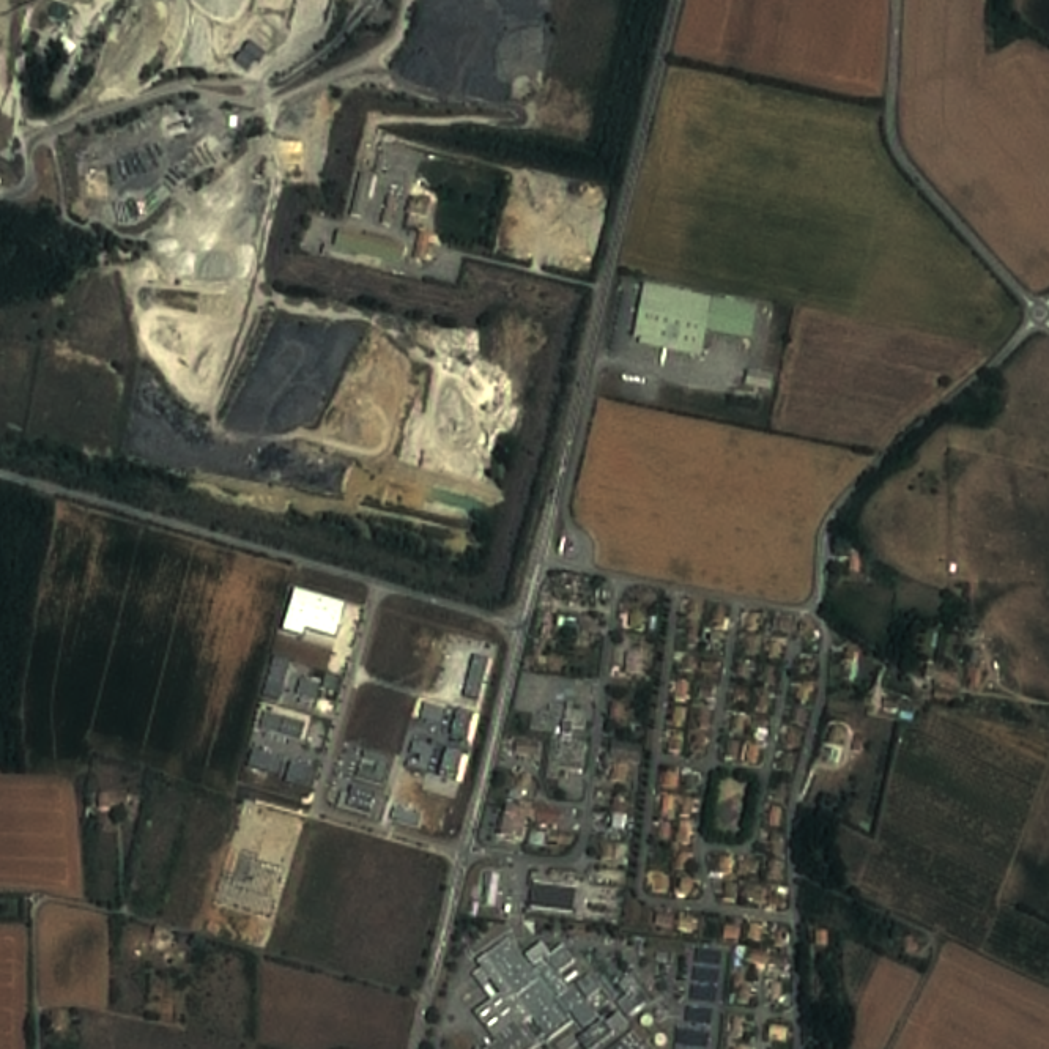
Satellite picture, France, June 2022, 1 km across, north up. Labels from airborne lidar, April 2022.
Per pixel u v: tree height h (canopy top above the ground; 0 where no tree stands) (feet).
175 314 0
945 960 0
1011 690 0
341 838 0
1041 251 0
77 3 0
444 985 20
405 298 0
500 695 0
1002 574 0
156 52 0
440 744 0
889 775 29
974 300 0
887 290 0
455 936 27
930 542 0
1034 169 0
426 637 0
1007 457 0
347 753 0
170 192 0
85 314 0
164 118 0
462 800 0
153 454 0
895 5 0
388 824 0
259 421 0
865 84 0
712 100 0
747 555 0
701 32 0
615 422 0
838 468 0
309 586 0
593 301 26
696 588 0
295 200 0
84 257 22
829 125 0
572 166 25
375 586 0
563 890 0
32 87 34
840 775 0
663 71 0
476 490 0
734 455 0
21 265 28
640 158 0
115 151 0
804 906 22
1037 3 0
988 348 0
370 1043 0
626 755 0
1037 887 0
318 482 0
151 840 0
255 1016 0
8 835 0
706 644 28
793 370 0
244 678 0
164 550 0
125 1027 0
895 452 22
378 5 0
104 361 0
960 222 0
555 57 0
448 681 0
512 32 0
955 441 0
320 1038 0
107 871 0
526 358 0
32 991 0
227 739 0
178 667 0
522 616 0
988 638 0
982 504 0
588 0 0
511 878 0
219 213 0
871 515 0
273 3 0
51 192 0
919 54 0
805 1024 37
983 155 0
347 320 0
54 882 0
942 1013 0
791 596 0
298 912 0
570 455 0
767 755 0
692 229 0
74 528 0
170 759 0
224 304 0
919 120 0
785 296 0
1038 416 0
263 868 0
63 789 0
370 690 0
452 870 0
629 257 0
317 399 0
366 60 0
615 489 0
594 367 0
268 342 0
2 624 29
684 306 0
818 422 0
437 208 0
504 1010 0
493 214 36
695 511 0
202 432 0
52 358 0
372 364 0
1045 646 0
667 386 0
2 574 25
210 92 0
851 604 0
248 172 0
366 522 30
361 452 0
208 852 0
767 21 0
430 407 0
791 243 0
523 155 31
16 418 0
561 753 0
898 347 0
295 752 0
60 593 0
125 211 0
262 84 0
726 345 0
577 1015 0
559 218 0
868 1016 0
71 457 50
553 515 0
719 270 0
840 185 0
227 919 0
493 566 0
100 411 0
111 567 0
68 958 0
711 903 0
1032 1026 0
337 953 0
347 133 0
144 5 0
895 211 0
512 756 0
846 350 0
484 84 0
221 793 0
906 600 0
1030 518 0
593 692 0
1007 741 0
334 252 0
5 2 0
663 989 28
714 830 39
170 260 0
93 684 0
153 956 0
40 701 0
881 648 35
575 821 0
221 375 0
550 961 0
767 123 0
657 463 0
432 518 0
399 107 0
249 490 0
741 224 0
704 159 0
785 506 0
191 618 0
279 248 0
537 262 0
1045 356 0
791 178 0
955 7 0
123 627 0
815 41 0
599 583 38
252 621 0
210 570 0
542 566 0
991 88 0
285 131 0
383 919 0
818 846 30
